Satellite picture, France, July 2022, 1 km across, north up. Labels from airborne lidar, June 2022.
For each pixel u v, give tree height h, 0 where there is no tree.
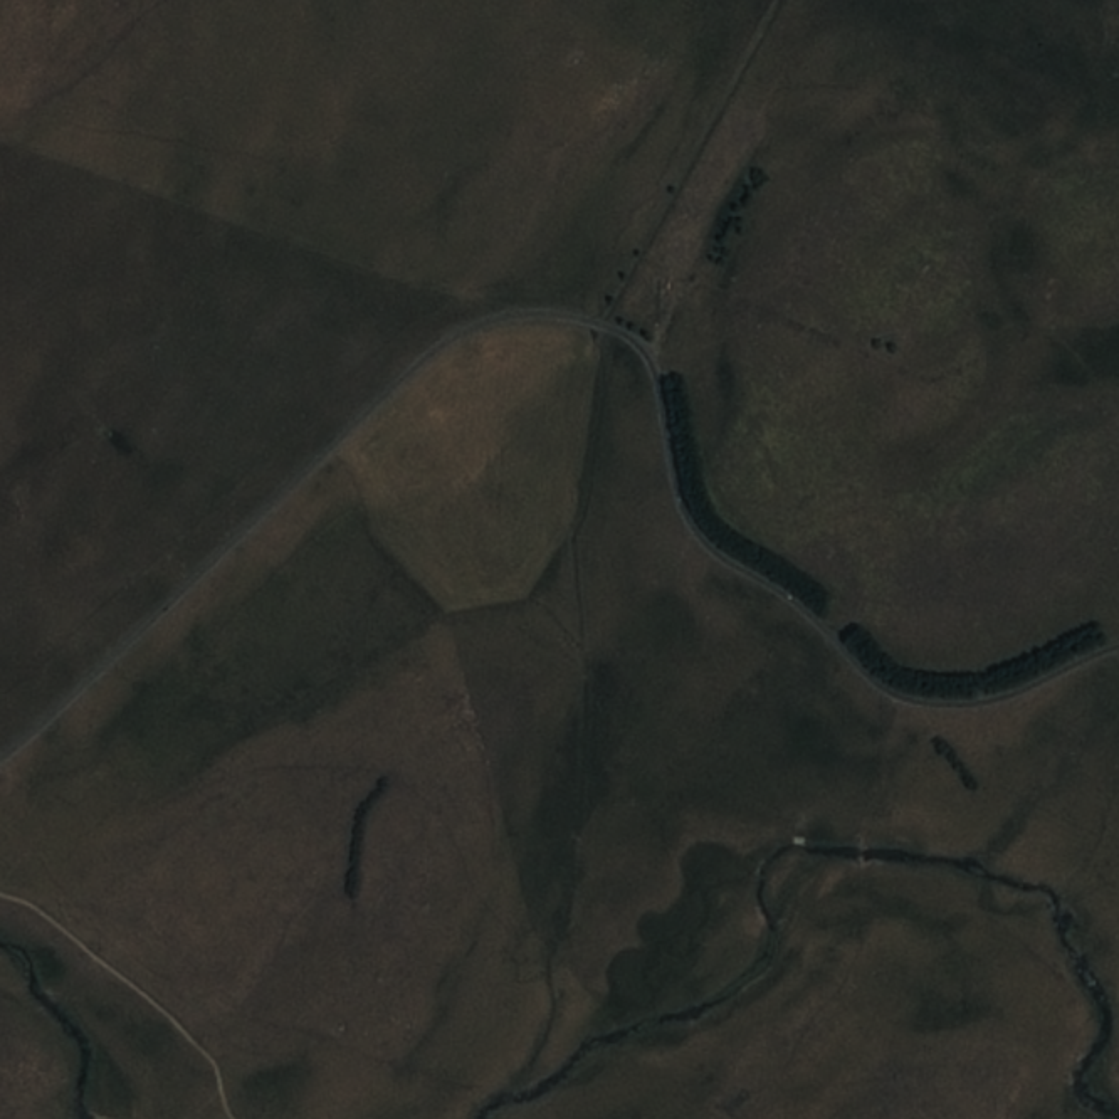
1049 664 16
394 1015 0
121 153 0
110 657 0
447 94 0
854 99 0
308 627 0
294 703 0
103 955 0
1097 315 0
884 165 0
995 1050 0
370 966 0
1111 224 0
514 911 0
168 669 0
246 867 0
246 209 0
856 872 0
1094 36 0
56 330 0
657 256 0
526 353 0
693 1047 0
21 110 0
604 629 0
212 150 0
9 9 0
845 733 0
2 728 0
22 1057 0
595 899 0
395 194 0
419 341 0
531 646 0
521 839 0
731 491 0
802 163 0
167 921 0
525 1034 0
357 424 0
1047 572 0
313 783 0
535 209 0
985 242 0
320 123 0
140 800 0
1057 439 0
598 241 0
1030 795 0
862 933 0
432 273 0
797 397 0
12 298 0
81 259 0
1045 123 0
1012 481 0
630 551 0
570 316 0
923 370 0
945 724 0
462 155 0
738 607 0
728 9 0
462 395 0
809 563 0
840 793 0
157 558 0
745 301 0
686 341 0
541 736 0
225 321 0
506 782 0
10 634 0
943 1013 0
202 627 0
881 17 0
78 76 0
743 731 0
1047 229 0
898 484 0
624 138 0
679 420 17
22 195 0
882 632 0
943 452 0
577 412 0
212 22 0
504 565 0
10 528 0
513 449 0
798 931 0
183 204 0
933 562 0
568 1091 0
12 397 0
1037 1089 0
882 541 0
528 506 0
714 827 0
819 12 0
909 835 0
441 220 0
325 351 0
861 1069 0
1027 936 0
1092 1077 0
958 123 0
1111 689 0
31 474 0
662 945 0
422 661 0
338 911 0
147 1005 0
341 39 0
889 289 0
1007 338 0
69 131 0
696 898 0
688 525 0
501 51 0
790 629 0
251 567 0
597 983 0
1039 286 0
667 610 0
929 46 0
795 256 0
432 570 0
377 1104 0
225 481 0
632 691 0
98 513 0
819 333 0
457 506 0
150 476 0
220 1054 0
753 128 0
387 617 0
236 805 0
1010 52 0
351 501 0
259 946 0
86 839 0
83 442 0
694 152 0
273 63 0
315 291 0
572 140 0
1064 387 0
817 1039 0
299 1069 0
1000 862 0
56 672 0
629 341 0
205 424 0
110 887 0
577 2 0
